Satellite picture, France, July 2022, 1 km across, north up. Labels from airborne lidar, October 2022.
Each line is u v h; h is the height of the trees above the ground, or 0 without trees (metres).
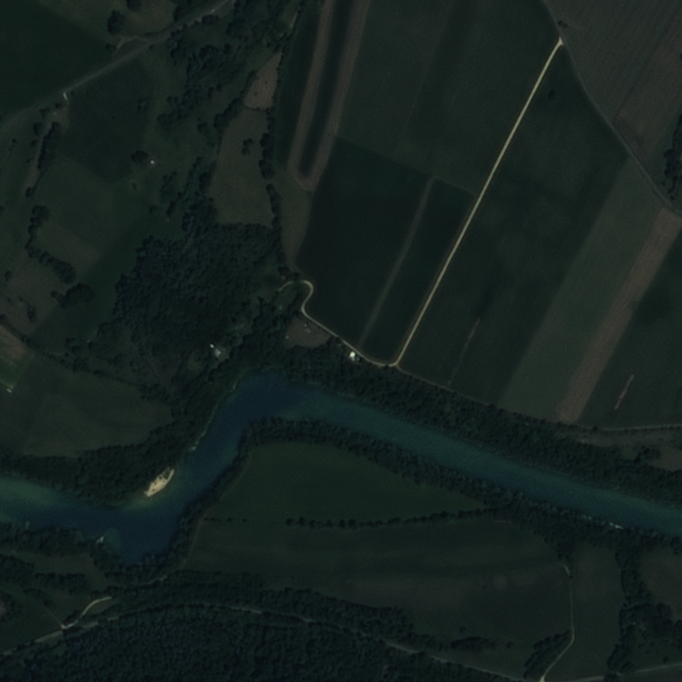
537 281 0
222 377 16
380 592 0
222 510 0
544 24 0
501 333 0
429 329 0
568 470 16
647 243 0
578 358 0
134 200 0
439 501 0
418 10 0
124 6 0
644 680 0
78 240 0
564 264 0
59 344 0
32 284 0
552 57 0
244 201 0
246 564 0
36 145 12
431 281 0
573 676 0
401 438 0
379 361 0
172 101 7
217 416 0
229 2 0
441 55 0
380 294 0
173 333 15
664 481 24
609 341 0
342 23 0
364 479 0
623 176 0
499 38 0
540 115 0
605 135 0
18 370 0
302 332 0
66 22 0
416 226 0
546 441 17
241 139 0
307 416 0
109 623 13
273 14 8
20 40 0
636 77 0
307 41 0
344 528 13
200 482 0
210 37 0
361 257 0
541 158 0
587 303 0
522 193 0
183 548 16
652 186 0
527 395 0
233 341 16
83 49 0
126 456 20
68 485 14
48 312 0
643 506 0
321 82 0
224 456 0
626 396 0
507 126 0
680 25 0
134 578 20
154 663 24
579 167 0
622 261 0
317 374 19
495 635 0
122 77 0
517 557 0
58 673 17
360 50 0
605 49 0
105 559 20
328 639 18
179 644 21
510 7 0
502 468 0
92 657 25
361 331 0
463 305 0
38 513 0
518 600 0
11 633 0
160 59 0
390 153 0
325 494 0
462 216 0
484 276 0
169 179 6
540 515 28
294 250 0
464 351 0
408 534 0
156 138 0
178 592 19
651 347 0
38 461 12
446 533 0
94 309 0
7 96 0
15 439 0
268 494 0
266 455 0
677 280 0
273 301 7
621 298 0
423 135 0
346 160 0
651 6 0
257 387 0
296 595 15
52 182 0
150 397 8
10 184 0
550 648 9
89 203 0
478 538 0
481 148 0
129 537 0
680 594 0
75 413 0
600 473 9
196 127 0
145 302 12
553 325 0
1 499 0
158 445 15
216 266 8
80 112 0
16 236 0
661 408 0
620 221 0
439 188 0
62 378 0
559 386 0
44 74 0
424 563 0
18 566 25
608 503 0
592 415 0
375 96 0
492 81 0
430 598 0
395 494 0
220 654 22
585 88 0
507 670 0
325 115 0
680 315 0
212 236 21
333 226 0
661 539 10
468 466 0
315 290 0
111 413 0
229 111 11
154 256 19
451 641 0
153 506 0
